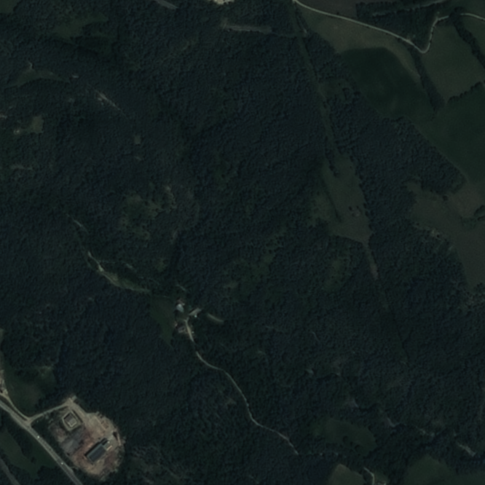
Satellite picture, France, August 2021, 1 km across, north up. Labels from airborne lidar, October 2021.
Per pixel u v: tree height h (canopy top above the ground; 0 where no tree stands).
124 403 16
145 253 12
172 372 14
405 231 9
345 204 0
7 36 15
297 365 8
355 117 16
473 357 13
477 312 13
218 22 10
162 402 14
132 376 12
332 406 15
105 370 6
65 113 13
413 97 0
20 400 0
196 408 23
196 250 20
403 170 11
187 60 11
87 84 11
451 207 0
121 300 24
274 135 14
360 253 12
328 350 14
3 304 18
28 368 19
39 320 23
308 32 6
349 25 0
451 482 0
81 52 26
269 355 9
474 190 0
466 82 0
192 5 18
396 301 12
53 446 8
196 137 16
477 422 10
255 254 13
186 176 15
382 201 12
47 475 15
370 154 12
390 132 11
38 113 16
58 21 10
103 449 0
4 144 8
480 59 12
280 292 7
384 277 10
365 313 16
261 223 12
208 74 13
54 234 13
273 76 15
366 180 11
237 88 13
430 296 19
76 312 19
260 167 14
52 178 14
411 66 0
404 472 18
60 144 11
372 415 14
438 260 14
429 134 0
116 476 28
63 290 8
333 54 11
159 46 10
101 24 14
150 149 10
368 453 0
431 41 6
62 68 12
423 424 7
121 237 12
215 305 15
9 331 15
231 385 22
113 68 19
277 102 10
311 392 12
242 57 16
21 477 14
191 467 25
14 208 11
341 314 15
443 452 12
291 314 15
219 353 17
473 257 0
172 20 13
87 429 0
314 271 8
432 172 11
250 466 17
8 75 11
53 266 7
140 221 11
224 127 27
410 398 12
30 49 11
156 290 16
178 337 9
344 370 8
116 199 14
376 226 15
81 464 0
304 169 14
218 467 12
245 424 9
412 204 9
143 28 14
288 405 16
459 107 0
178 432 17
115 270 17
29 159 14
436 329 12
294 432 16
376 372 18
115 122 13
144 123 14
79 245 16
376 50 0
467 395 16
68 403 0
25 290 22
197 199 10
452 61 0
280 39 17
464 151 0
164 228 13
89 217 9
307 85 14
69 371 22
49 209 17
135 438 13
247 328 8
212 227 15
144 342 13
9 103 14
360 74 0
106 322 26
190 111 13
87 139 12
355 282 17
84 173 12
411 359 19
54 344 20
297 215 16
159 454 18
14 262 11
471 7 0
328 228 7
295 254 16
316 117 12
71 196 16
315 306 7
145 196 10
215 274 18
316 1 0
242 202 13
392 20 12
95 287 25
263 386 15
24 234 14
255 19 12
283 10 7
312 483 14
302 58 8
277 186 15
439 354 11
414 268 9
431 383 20
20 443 17
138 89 12
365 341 13
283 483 17
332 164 13
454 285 20
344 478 0
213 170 10
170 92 14
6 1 0
